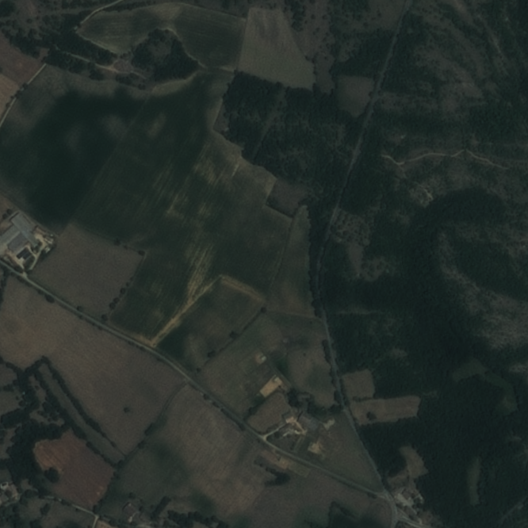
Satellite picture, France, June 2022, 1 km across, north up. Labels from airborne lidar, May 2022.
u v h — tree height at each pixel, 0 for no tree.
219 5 0
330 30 7
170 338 0
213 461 0
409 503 0
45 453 0
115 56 7
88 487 0
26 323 0
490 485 10
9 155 0
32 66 0
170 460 0
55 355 0
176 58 6
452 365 13
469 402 11
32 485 8
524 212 5
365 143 8
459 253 7
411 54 7
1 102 0
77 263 0
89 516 0
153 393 0
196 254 0
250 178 0
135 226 0
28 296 0
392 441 11
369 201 8
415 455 0
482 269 8
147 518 0
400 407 0
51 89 0
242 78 13
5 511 9
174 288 0
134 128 0
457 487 16
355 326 7
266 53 0
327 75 0
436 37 8
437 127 8
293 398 12
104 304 0
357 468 0
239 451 0
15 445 8
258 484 0
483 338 6
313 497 0
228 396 0
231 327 0
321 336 0
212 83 0
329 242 10
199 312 0
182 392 0
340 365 8
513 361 7
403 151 7
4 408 0
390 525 0
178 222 0
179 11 0
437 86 8
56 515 0
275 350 0
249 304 0
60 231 0
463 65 5
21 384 8
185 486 0
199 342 0
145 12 0
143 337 0
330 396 0
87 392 0
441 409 11
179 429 0
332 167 8
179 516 11
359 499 0
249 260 0
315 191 5
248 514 0
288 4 9
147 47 7
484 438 21
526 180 7
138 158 0
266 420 0
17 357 0
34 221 0
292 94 15
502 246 6
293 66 0
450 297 9
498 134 9
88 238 0
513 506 9
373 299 16
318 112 10
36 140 0
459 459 13
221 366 0
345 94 0
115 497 0
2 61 0
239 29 0
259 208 0
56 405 11
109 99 0
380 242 9
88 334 0
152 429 10
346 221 7
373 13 0
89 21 0
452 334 5
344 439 0
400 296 15
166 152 0
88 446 10
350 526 0
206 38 0
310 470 0
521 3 7
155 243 0
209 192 0
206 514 0
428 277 16
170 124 0
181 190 0
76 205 0
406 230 6
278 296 0
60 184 0
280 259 0
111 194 0
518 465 6
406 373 6
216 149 0
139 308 0
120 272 0
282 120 6
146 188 0
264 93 9
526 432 9
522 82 6
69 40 10
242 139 9
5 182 0
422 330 10
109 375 0
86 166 0
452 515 13
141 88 8
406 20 11
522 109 9
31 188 0
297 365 0
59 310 0
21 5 0
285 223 0
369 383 0
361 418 0
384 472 9
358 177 13
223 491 0
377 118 8
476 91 0
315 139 6
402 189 5
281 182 0
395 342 8
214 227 0
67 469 0
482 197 8
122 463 11
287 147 8
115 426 0
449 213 13
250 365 0
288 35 0
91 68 7
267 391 0
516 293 10
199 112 0
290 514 0
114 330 0
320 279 11
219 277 0
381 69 8
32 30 10
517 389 14
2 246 0
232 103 10
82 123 0
